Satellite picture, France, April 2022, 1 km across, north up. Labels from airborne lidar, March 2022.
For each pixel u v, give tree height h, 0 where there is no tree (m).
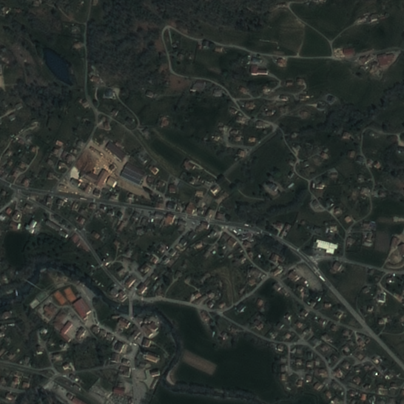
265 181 0
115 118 0
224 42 0
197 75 0
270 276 0
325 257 0
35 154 0
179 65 0
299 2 0
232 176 0
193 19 10
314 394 0
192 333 0
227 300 0
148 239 0
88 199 0
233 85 0
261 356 0
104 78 0
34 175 8
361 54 0
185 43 0
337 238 9
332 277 0
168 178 0
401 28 0
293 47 0
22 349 0
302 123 0
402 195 0
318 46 0
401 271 0
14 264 0
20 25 18
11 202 0
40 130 0
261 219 10
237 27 19
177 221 7
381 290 0
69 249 0
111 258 0
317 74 0
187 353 0
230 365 0
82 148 0
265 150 0
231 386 0
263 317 23
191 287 0
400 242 0
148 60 21
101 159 0
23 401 23
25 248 7
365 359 0
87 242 0
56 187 0
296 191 0
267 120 0
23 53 0
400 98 6
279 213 24
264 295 0
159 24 18
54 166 0
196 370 0
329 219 0
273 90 0
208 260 0
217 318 11
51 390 0
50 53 0
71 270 20
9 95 0
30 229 0
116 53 14
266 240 6
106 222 6
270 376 0
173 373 0
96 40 15
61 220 12
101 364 6
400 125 0
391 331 15
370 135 0
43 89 11
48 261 18
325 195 0
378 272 0
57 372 0
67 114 0
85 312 0
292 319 0
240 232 0
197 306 0
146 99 0
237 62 14
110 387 0
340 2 0
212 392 19
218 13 9
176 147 0
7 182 0
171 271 15
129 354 0
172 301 0
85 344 10
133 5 10
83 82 0
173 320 0
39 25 24
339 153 0
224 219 0
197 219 0
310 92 0
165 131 0
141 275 0
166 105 0
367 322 0
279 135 18
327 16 0
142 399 0
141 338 0
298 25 0
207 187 0
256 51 0
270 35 0
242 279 0
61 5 14
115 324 0
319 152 0
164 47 0
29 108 12
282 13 0
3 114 0
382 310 0
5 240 0
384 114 0
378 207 0
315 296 21
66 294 0
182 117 0
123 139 0
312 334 0
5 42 0
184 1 18
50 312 0
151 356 0
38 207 0
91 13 0
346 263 0
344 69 0
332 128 21
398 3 0
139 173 0
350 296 0
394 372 0
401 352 0
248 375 0
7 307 21
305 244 0
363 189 0
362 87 0
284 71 0
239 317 0
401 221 0
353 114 19
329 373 0
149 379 0
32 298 0
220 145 0
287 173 0
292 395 9
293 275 0
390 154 6
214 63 0
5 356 0
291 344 0
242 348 0
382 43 0
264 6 21
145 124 0
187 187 0
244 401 17
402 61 0
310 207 0
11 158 0
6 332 0
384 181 0
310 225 0
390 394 0
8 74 0
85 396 0
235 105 0
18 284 18
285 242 0
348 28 0
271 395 0
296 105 11
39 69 0
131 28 17
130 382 0
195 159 0
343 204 0
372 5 0
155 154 0
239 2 10
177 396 0
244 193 0
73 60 0
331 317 0
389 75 0
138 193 0
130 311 0
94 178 0
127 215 0
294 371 0
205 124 0
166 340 0
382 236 0
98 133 0
